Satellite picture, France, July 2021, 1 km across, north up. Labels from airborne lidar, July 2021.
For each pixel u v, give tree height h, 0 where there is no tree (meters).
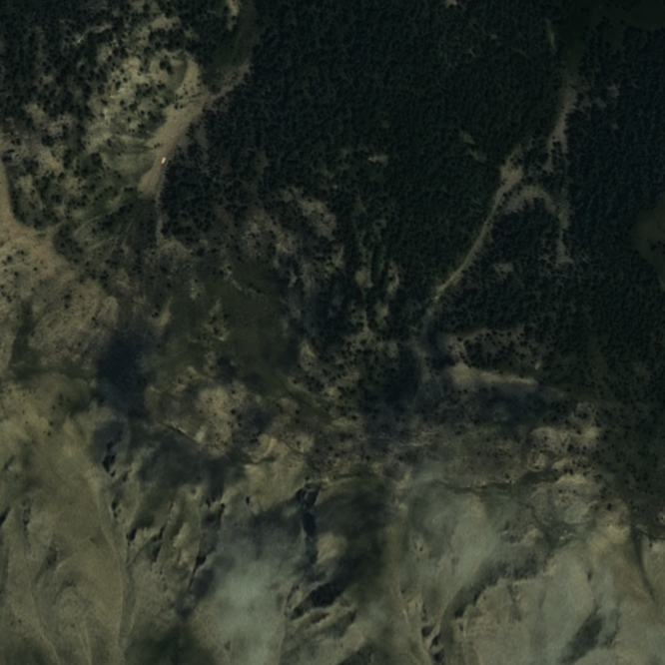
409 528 0
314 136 10
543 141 8
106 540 0
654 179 15
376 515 0
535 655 0
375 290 13
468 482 0
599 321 11
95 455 0
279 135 15
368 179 7
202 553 0
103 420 0
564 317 8
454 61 16
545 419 6
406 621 0
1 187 0
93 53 7
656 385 8
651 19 0
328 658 0
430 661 0
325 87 9
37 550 0
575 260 7
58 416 0
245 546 0
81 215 0
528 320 8
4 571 0
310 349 0
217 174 10
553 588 0
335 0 16
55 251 0
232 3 0
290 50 13
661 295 12
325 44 17
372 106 12
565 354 7
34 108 0
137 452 0
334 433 0
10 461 0
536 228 15
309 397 0
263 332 0
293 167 11
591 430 0
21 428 0
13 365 0
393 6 15
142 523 0
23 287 0
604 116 13
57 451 0
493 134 15
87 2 7
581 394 0
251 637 0
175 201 11
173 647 0
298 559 0
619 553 0
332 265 10
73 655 0
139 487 0
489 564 0
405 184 14
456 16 12
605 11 0
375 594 0
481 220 8
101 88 9
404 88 12
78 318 0
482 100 12
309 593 0
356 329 13
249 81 8
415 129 15
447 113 15
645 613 0
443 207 14
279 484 0
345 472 0
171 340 0
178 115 0
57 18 7
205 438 0
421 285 13
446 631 0
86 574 0
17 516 0
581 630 0
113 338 0
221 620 0
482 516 0
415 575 0
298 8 14
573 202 6
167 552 0
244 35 0
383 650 0
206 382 0
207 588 0
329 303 9
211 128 9
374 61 14
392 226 12
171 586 0
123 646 0
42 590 0
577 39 0
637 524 0
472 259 0
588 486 0
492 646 0
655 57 16
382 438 0
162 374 0
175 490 0
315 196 8
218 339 0
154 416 0
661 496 0
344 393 7
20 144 7
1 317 0
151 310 0
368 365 8
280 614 0
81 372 0
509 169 0
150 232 6
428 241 15
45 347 0
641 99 16
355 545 0
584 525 0
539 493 0
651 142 7
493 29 16
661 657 0
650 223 0
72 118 0
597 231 12
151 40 9
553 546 0
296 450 0
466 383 0
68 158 7
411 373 7
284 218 7
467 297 9
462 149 9
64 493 0
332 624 0
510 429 0
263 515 0
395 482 0
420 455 0
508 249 11
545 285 8
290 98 15
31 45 6
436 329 7
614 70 18
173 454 0
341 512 0
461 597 0
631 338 11
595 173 12
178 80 0
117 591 0
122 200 0
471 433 0
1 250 0
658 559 0
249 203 7
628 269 12
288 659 0
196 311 0
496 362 9
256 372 0
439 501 0
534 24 13
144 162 0
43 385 0
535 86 20
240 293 0
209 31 17
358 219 11
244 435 0
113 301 0
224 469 0
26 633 0
